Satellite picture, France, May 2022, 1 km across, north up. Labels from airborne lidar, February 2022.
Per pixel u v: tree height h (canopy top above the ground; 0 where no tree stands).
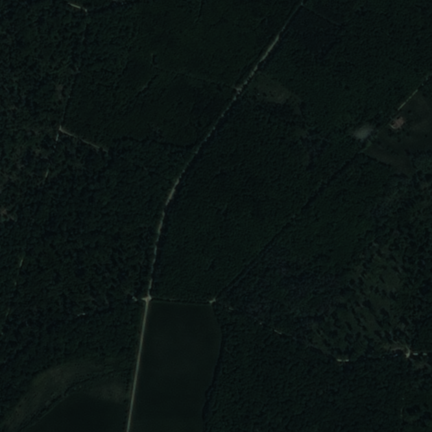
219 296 18
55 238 30
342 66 21
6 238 24
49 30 29
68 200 27
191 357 0
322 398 25
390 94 21
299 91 21
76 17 24
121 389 0
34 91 27
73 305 32
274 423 27
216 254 22
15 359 26
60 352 23
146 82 9
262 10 12
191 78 11
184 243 23
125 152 28
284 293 20
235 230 22
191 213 21
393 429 27
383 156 0
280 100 0
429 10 20
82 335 26
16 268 25
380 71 19
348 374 26
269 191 24
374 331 0
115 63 26
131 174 26
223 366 19
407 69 15
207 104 13
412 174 0
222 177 25
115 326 24
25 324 26
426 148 0
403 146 0
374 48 20
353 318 0
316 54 16
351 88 18
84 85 9
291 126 18
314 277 19
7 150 26
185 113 12
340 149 20
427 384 25
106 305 23
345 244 16
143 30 10
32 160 27
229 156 23
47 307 8
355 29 20
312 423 25
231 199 22
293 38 19
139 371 0
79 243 26
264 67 18
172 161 27
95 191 27
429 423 33
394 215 26
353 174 21
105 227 27
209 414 21
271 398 24
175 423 0
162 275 23
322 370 26
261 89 0
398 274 30
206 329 0
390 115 15
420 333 17
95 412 0
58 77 21
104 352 22
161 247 23
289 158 24
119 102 12
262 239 18
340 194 18
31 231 25
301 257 13
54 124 14
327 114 21
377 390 28
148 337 0
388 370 25
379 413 28
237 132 25
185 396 0
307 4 15
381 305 0
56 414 0
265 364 25
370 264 25
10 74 31
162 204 22
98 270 30
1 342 23
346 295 25
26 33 29
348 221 14
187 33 9
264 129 22
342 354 28
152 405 0
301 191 20
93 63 27
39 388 0
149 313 0
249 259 20
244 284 17
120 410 0
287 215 21
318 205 15
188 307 0
